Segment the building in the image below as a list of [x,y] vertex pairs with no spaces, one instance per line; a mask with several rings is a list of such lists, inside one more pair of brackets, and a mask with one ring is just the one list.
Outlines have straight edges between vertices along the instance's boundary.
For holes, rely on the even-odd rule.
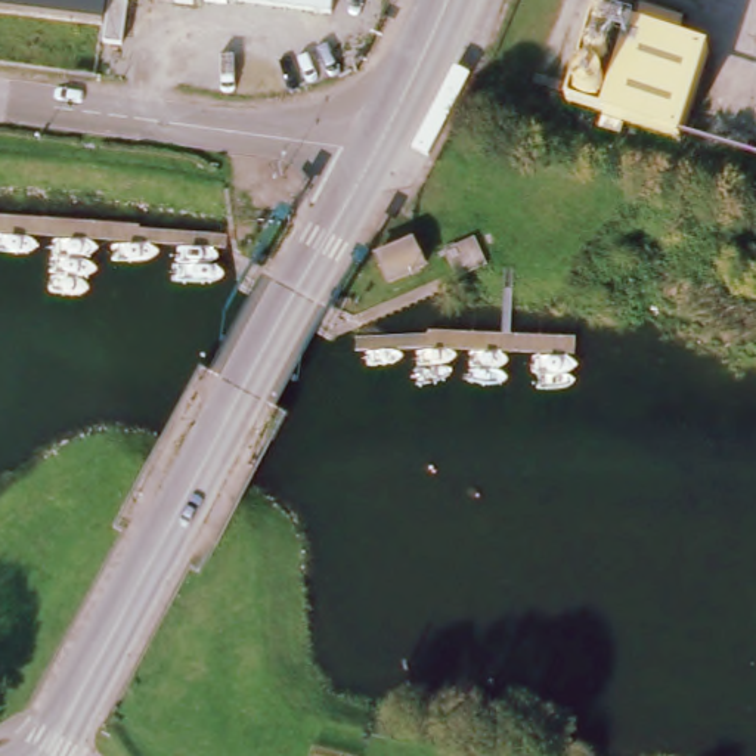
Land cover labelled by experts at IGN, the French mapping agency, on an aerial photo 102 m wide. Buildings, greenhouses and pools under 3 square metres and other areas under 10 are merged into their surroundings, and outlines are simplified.
[[372,257],[384,281],[408,278],[419,272],[425,263],[416,239],[402,236],[390,245],[381,245]]
[[310,756],[346,756],[328,747],[313,747]]
[[331,0],[239,0],[251,6],[275,6],[289,12],[328,12]]
[[174,0],[177,9],[201,9],[204,3],[219,6],[230,0]]
[[620,130],[623,124],[635,127],[662,136],[679,136],[679,121],[685,115],[691,86],[706,50],[706,35],[656,15],[641,15],[614,0],[605,0],[599,6],[599,15],[591,18],[588,30],[582,32],[585,53],[579,50],[561,65],[561,95],[567,103],[594,109],[599,115],[599,127],[605,130]]
[[0,15],[95,27],[97,41],[106,47],[118,47],[118,38],[124,35],[127,0],[0,0]]
[[437,248],[455,266],[478,272],[487,260],[481,257],[475,239]]

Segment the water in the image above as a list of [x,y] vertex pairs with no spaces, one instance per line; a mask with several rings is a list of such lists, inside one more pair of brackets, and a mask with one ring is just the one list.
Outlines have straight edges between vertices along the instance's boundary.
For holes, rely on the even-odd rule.
[[180,245],[174,251],[171,245],[154,248],[148,242],[118,242],[112,248],[106,239],[95,245],[86,239],[53,242],[50,236],[24,239],[15,233],[0,233],[0,496],[41,464],[47,449],[80,434],[95,434],[112,425],[154,431],[159,437],[183,390],[189,387],[195,369],[213,366],[219,360],[233,325],[245,310],[245,295],[236,286],[233,251],[216,251],[210,245]]
[[540,700],[567,709],[576,718],[576,738],[588,744],[594,756],[756,756],[756,366],[750,366],[744,375],[735,375],[729,366],[724,366],[718,354],[691,348],[685,340],[679,340],[662,340],[656,325],[605,328],[591,325],[579,316],[537,313],[517,307],[511,310],[511,331],[567,334],[576,340],[576,357],[540,354],[532,360],[520,351],[505,357],[484,348],[473,354],[452,354],[446,348],[422,348],[419,354],[402,354],[399,348],[369,348],[366,354],[360,354],[348,331],[334,340],[307,337],[278,396],[278,405],[284,408],[284,422],[278,425],[272,443],[260,455],[260,464],[251,478],[286,514],[295,517],[295,529],[301,532],[313,662],[322,667],[334,691],[375,697],[381,703],[393,694],[405,694],[408,700],[416,700],[422,709],[431,709],[443,700],[446,688],[452,688],[455,694],[481,691],[484,703],[496,703],[508,688],[526,688]]
[[121,207],[109,201],[80,204],[50,201],[41,195],[0,195],[0,213],[127,221],[142,227],[210,233],[221,233],[227,227],[221,219],[159,213],[148,207]]
[[434,328],[499,331],[499,307],[490,307],[467,307],[458,313],[446,313],[440,307],[440,295],[431,295],[399,310],[357,328],[363,340],[369,340],[384,334],[422,334]]

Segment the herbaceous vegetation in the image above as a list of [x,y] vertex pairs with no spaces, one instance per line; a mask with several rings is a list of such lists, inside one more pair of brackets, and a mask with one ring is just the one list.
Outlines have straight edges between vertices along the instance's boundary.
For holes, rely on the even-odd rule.
[[437,756],[434,744],[428,744],[422,735],[416,735],[413,744],[393,741],[378,724],[381,703],[375,697],[334,691],[322,667],[313,662],[301,532],[295,529],[295,517],[286,514],[251,478],[221,537],[210,549],[204,567],[186,573],[180,588],[174,591],[174,599],[157,623],[148,650],[136,664],[133,679],[127,682],[106,724],[97,729],[97,750],[92,756],[310,756],[313,747],[328,747],[346,756]]
[[257,213],[254,230],[242,239],[242,251],[260,266],[278,251],[281,239],[286,236],[295,219],[295,210],[289,204],[278,204],[263,207]]
[[204,151],[157,139],[80,136],[65,130],[18,127],[0,121],[0,195],[41,195],[50,201],[80,204],[109,201],[121,207],[148,207],[159,213],[221,219],[227,210],[224,183],[233,180],[233,168],[227,154],[221,151]]
[[[458,130],[446,118],[437,133],[440,148],[434,154],[434,162],[413,195],[413,219],[402,224],[384,221],[363,245],[357,245],[351,251],[351,263],[343,281],[334,286],[328,298],[343,313],[357,313],[363,307],[387,301],[393,301],[399,310],[431,295],[440,295],[449,284],[461,281],[455,266],[437,248],[475,239],[481,257],[487,260],[478,272],[478,286],[484,289],[490,307],[499,307],[502,286],[514,286],[517,307],[537,313],[570,281],[573,257],[585,248],[585,242],[594,239],[605,221],[617,216],[617,210],[629,204],[614,183],[599,180],[594,171],[591,183],[579,183],[561,177],[564,165],[529,162],[514,168],[508,157],[484,154],[481,139],[473,139],[467,130]],[[408,278],[384,281],[372,257],[381,245],[390,245],[402,236],[416,239],[425,263],[419,272]]]
[[561,0],[511,0],[496,44],[490,44],[496,50],[496,59],[481,74],[467,77],[464,89],[467,95],[487,92],[499,106],[514,109],[526,97],[535,97],[537,68],[552,56],[546,41],[558,21]]
[[694,136],[679,136],[662,136],[635,127],[626,136],[623,148],[697,162],[709,171],[735,168],[756,186],[756,145],[744,142],[741,151],[735,151],[724,145],[709,145]]
[[95,27],[0,15],[0,59],[103,74],[106,62],[103,56],[97,56],[97,41]]
[[112,425],[95,434],[80,434],[47,449],[41,464],[0,496],[0,721],[30,706],[68,626],[74,623],[106,555],[115,546],[118,508],[133,490],[159,437],[154,431]]

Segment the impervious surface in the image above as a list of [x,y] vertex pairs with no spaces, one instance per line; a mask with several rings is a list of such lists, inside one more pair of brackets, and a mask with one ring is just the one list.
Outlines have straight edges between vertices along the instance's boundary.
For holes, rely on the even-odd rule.
[[[393,301],[387,301],[363,307],[357,313],[343,313],[328,298],[334,286],[343,281],[351,263],[351,251],[357,245],[363,245],[384,221],[402,224],[413,219],[413,195],[434,162],[434,154],[440,148],[437,133],[446,118],[455,97],[464,89],[467,77],[481,74],[496,59],[496,50],[490,44],[496,44],[511,0],[331,0],[328,12],[289,12],[275,6],[251,6],[239,0],[230,0],[219,6],[204,3],[201,9],[177,9],[174,0],[127,0],[124,35],[118,38],[118,47],[106,47],[97,41],[97,56],[103,56],[106,62],[103,74],[0,59],[0,121],[18,127],[65,130],[80,136],[157,139],[204,151],[221,151],[227,154],[233,168],[233,180],[224,183],[227,210],[221,219],[227,227],[221,233],[210,233],[142,227],[127,221],[0,213],[0,233],[15,233],[24,239],[50,236],[53,242],[86,239],[95,245],[106,239],[112,248],[118,242],[148,242],[154,248],[171,245],[174,251],[180,245],[210,245],[216,251],[233,251],[236,286],[245,295],[245,310],[233,325],[219,360],[213,366],[195,369],[189,387],[183,390],[159,437],[133,490],[118,508],[115,546],[106,555],[74,623],[68,626],[30,706],[0,721],[0,756],[92,756],[97,750],[97,729],[106,724],[127,682],[133,679],[136,664],[148,650],[157,623],[174,599],[174,591],[180,588],[186,573],[204,567],[210,549],[221,537],[251,478],[260,464],[260,455],[272,443],[278,425],[284,422],[284,408],[278,405],[278,396],[307,337],[334,340],[348,331],[360,354],[366,354],[369,348],[399,348],[402,354],[419,354],[422,348],[446,348],[452,354],[473,354],[484,348],[505,357],[520,351],[532,360],[540,354],[576,357],[576,340],[567,334],[511,331],[511,310],[517,307],[514,286],[502,286],[499,307],[499,331],[434,328],[422,334],[384,334],[369,340],[363,340],[357,328],[399,310]],[[242,239],[254,230],[257,213],[263,207],[278,204],[289,204],[295,210],[295,219],[286,236],[281,239],[278,251],[260,266],[242,251]]]
[[594,109],[567,103],[561,95],[561,65],[579,50],[585,53],[582,32],[588,30],[591,18],[599,15],[599,6],[605,0],[561,0],[558,21],[546,41],[552,56],[537,68],[535,97],[526,97],[514,109],[520,118],[540,124],[543,136],[558,136],[561,142],[623,148],[626,136],[635,127],[623,124],[620,130],[605,130],[599,127],[599,115]]
[[706,50],[691,86],[685,115],[679,121],[679,136],[694,136],[709,145],[724,145],[735,151],[741,151],[744,142],[756,145],[756,0],[614,0],[641,15],[656,15],[706,35]]

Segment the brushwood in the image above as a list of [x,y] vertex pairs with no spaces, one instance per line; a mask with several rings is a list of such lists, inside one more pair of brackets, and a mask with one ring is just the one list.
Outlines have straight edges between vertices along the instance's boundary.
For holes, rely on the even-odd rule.
[[458,313],[467,307],[490,307],[484,289],[478,286],[478,272],[455,266],[461,281],[449,284],[440,295],[440,307],[446,313]]
[[579,316],[591,325],[605,328],[656,325],[662,340],[679,340],[679,334],[688,328],[688,319],[697,319],[700,307],[676,307],[676,301],[664,289],[667,284],[721,284],[715,266],[718,257],[732,263],[732,275],[738,278],[747,275],[750,263],[756,263],[756,233],[721,227],[718,198],[706,207],[694,207],[694,219],[685,219],[682,227],[673,233],[667,233],[667,224],[676,216],[676,207],[667,198],[662,198],[662,189],[647,204],[629,204],[617,210],[617,216],[605,221],[594,239],[585,242],[585,248],[573,257],[570,281],[537,313]]

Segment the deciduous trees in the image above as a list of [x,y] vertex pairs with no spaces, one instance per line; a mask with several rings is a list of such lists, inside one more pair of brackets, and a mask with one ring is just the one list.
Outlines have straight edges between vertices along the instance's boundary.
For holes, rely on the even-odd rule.
[[408,700],[405,694],[393,694],[381,703],[378,724],[393,741],[413,744],[416,735],[422,735],[428,744],[434,744],[437,756],[594,756],[588,744],[576,738],[576,718],[567,709],[540,700],[526,688],[508,688],[496,703],[484,703],[481,691],[455,694],[452,688],[446,688],[443,700],[431,709],[422,709],[416,700]]
[[679,334],[679,340],[685,340],[691,348],[718,354],[724,366],[729,366],[735,375],[744,375],[750,366],[756,366],[756,263],[750,263],[747,275],[738,278],[732,275],[732,263],[718,257],[715,266],[721,284],[667,284],[664,289],[676,301],[676,307],[700,307],[697,319],[688,319],[688,328]]
[[662,189],[662,198],[667,198],[676,207],[676,216],[667,224],[667,233],[673,233],[682,227],[685,219],[694,219],[694,207],[706,207],[718,198],[721,227],[756,233],[756,186],[735,168],[709,171],[697,162],[623,148],[561,142],[558,136],[543,136],[540,124],[520,118],[514,109],[499,106],[487,92],[467,95],[464,89],[455,97],[446,118],[458,130],[467,130],[473,139],[481,139],[484,154],[508,157],[514,168],[529,162],[564,165],[561,177],[579,183],[591,183],[594,171],[599,180],[614,183],[629,204],[647,204]]

